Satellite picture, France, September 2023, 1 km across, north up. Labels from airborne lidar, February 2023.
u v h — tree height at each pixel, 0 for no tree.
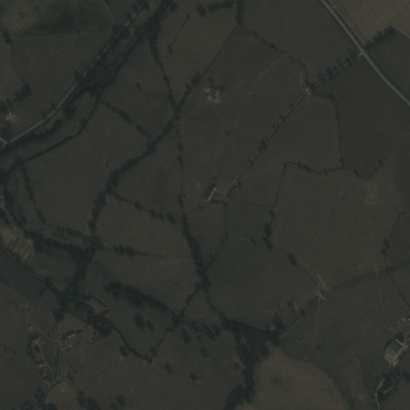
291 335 0
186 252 0
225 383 0
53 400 0
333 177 0
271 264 0
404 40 0
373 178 0
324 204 0
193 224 0
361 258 0
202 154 0
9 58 0
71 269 0
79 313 0
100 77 0
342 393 0
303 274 0
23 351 0
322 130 0
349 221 0
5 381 0
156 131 0
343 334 0
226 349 0
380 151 0
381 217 0
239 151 0
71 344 0
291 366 0
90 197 0
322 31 0
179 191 0
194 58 0
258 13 0
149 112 0
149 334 0
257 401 0
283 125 0
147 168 0
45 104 0
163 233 0
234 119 0
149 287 0
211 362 0
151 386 0
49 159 0
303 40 0
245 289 0
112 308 0
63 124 0
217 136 0
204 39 0
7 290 0
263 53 0
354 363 0
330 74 18
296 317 0
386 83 0
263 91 0
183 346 0
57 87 0
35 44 0
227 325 21
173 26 0
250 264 0
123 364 0
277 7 0
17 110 0
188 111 0
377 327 0
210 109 0
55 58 0
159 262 0
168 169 0
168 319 0
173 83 0
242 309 0
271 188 0
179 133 12
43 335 0
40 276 0
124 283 0
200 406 0
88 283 0
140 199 0
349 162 0
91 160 0
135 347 0
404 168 0
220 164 0
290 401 0
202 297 0
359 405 0
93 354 0
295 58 0
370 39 0
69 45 0
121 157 0
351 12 0
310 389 0
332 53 0
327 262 0
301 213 0
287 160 0
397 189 0
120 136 0
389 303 0
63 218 0
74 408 0
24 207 0
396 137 0
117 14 0
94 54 0
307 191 0
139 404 0
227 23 0
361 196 0
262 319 0
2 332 0
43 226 0
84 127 15
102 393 0
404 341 0
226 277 0
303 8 0
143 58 0
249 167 0
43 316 0
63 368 0
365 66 0
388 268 0
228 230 0
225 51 0
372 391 0
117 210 0
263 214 0
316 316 0
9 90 0
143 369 0
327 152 0
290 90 0
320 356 0
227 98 0
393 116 0
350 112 0
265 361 0
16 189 0
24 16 0
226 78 0
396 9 0
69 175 0
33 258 0
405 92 0
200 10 14
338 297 0
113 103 0
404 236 0
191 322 13
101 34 0
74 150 0
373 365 0
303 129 0
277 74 0
